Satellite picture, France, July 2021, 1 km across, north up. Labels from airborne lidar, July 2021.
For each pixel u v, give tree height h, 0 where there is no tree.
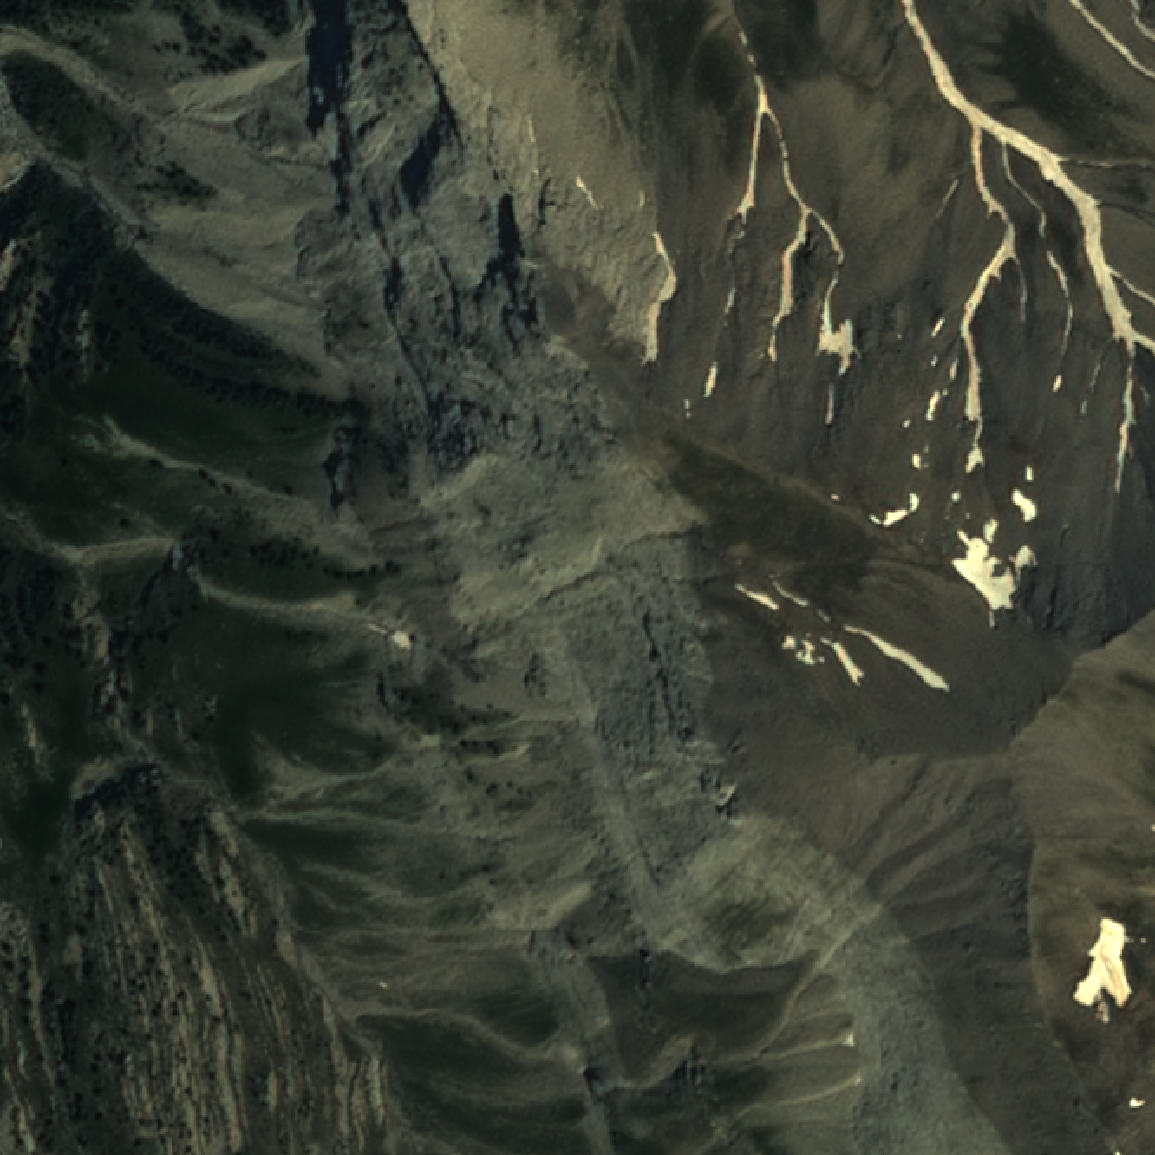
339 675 0
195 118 0
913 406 0
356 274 0
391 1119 0
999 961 0
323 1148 0
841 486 0
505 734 0
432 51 0
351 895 0
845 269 0
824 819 0
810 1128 0
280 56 0
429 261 0
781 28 0
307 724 0
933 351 0
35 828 0
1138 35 0
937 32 0
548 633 0
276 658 0
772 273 0
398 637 0
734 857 0
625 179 0
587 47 0
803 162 0
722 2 0
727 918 0
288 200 0
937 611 0
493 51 0
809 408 0
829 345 0
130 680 0
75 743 0
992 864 0
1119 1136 0
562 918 0
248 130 0
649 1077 0
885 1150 0
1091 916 0
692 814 0
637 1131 0
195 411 0
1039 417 0
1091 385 0
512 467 0
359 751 0
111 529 0
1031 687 0
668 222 0
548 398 0
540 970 0
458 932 0
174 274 0
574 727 0
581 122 0
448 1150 0
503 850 0
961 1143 0
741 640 0
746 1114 0
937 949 0
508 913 0
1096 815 0
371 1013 0
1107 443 0
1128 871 0
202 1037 0
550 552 0
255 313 0
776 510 0
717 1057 0
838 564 0
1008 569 0
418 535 0
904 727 0
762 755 0
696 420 0
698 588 0
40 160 0
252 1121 0
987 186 0
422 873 0
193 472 0
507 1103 0
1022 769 0
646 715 0
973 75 0
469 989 0
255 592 0
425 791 0
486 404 0
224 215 0
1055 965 0
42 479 0
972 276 0
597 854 0
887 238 0
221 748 0
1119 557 0
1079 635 0
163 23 0
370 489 0
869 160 0
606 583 0
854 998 0
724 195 0
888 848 0
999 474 0
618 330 0
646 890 0
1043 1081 0
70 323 10
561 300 0
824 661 0
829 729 0
